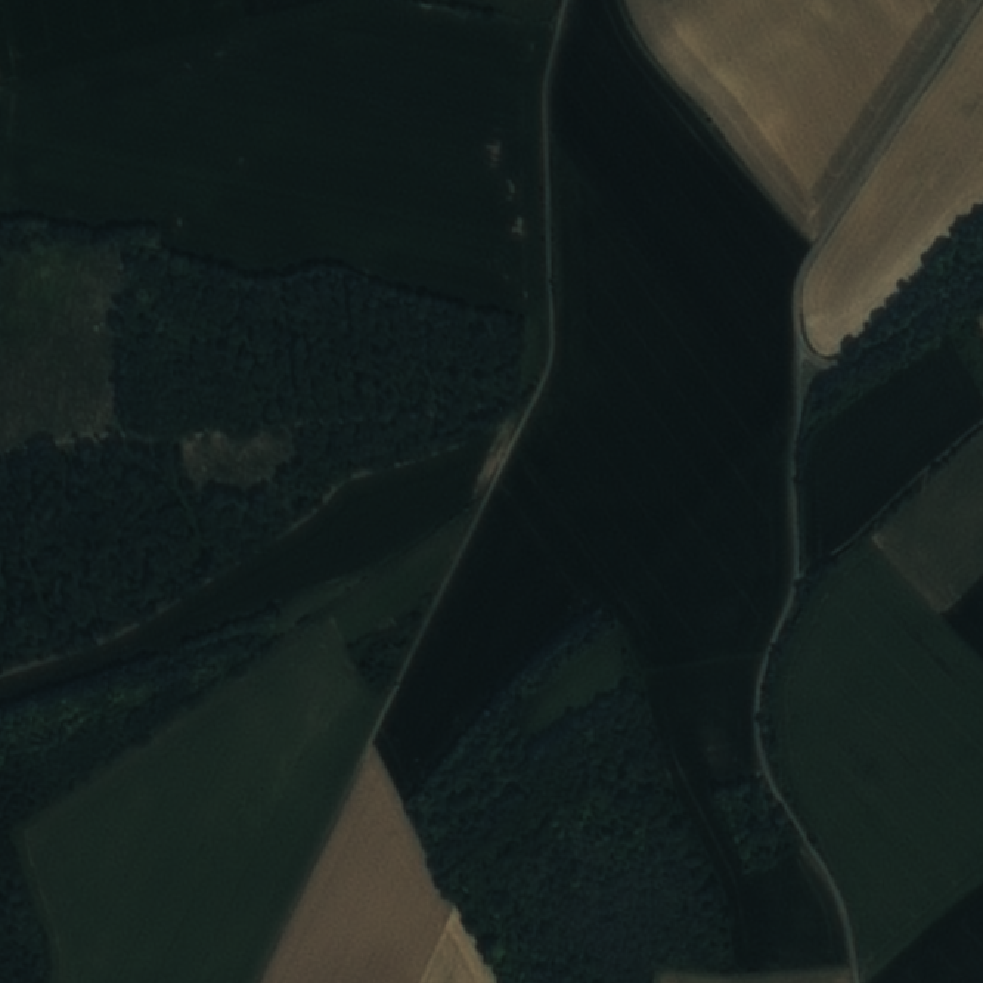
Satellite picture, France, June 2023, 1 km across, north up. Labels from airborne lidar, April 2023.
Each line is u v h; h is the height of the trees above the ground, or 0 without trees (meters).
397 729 0
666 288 0
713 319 0
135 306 15
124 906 0
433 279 0
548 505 0
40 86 0
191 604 0
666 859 16
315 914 0
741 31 0
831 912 0
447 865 18
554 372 0
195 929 0
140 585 21
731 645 0
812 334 0
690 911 16
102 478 24
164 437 21
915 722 0
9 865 15
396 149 0
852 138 0
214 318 20
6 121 0
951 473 0
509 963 11
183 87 0
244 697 0
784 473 0
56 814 0
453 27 0
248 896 0
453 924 0
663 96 0
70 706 12
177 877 0
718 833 0
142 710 11
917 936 0
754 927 0
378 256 0
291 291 15
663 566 0
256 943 0
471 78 0
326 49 0
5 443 0
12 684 0
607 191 0
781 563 0
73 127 0
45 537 8
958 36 0
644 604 0
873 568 0
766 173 0
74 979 0
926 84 0
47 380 0
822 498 0
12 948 20
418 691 0
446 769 12
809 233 0
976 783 0
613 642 0
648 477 0
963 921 0
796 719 0
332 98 0
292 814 0
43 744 12
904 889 0
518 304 0
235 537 19
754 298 0
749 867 11
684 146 0
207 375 23
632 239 0
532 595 0
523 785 17
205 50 0
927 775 0
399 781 0
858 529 0
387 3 0
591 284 0
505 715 16
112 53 0
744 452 0
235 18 0
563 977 22
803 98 0
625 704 16
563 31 0
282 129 0
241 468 0
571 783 23
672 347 0
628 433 0
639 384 0
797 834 9
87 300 0
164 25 0
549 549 0
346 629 0
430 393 17
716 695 0
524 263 0
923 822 0
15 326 0
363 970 0
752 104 0
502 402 16
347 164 0
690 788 0
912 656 0
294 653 0
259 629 6
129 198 0
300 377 20
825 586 0
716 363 0
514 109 0
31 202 0
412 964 0
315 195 0
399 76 0
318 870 0
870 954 0
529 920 16
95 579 18
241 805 0
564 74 0
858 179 0
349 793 0
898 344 14
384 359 22
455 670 0
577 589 0
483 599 0
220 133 0
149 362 22
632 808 18
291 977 0
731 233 0
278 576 0
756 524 0
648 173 0
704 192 0
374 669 10
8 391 0
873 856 0
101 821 0
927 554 0
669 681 0
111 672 14
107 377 0
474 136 0
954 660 0
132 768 0
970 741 0
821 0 0
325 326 23
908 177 0
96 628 22
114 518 24
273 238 0
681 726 0
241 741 0
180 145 0
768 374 0
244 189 0
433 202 0
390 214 0
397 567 0
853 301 0
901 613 0
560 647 18
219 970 0
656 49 0
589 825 16
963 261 19
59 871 0
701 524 0
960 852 0
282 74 0
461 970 0
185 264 11
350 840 0
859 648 0
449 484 0
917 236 0
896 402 0
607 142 0
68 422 0
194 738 0
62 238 16
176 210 0
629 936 17
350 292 20
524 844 17
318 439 15
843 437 0
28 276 0
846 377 15
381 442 18
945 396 0
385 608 0
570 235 0
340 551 0
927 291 21
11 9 0
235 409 23
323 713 0
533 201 0
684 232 0
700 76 0
